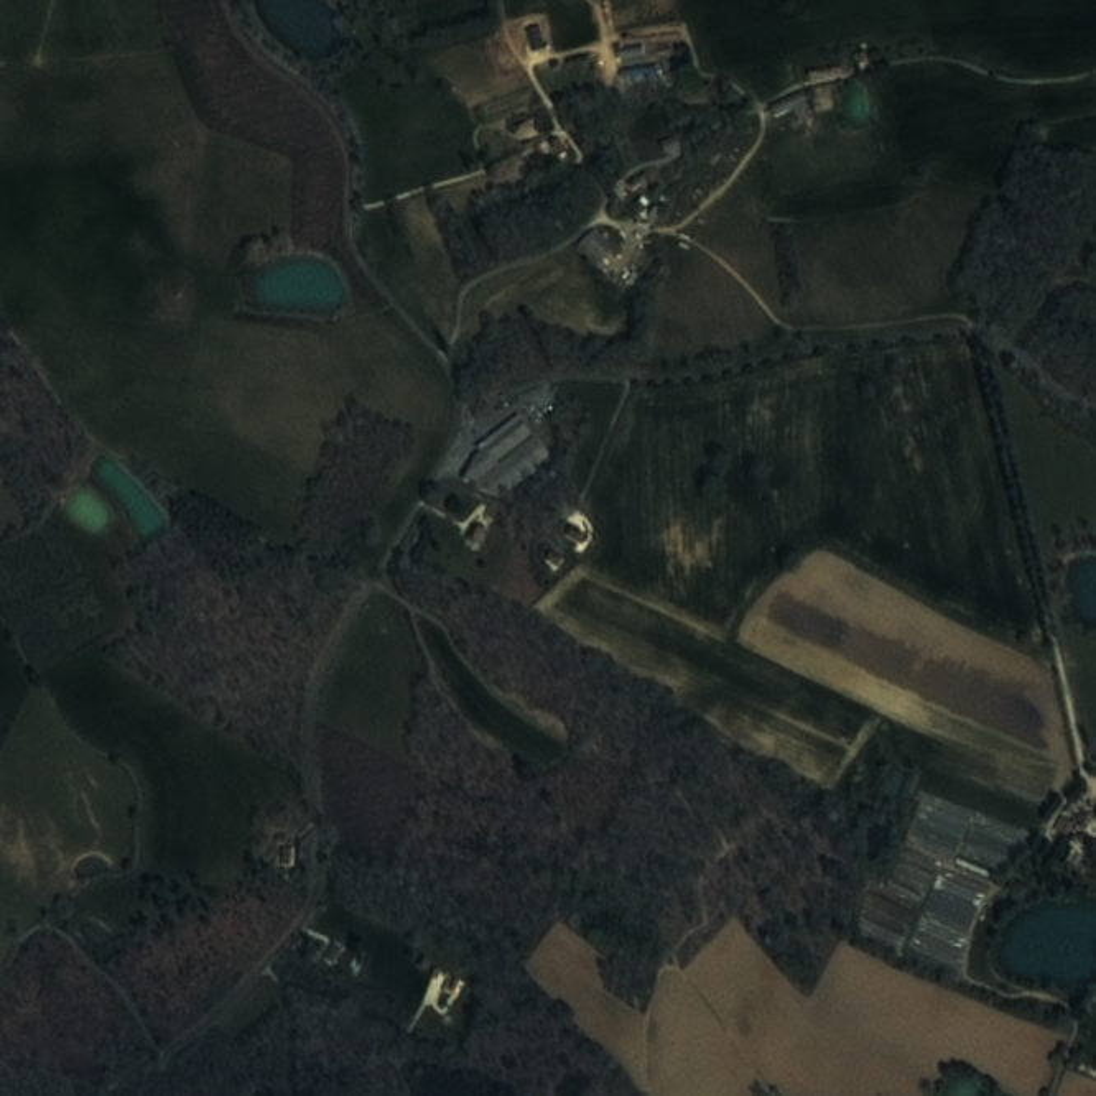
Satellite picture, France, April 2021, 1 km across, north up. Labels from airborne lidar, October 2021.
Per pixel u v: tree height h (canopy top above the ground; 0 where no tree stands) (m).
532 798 12
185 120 0
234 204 0
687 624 0
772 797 21
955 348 0
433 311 0
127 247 0
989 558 0
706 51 0
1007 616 0
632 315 13
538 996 12
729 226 0
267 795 0
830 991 0
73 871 0
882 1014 0
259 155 0
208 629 12
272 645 12
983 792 0
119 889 0
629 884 18
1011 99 0
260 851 18
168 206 0
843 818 15
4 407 17
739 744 0
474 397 25
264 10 0
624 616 0
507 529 9
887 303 0
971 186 0
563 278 0
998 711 0
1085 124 0
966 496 0
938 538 0
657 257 10
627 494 0
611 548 0
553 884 19
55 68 0
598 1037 0
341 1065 17
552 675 12
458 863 8
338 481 8
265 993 0
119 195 0
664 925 17
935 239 0
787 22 0
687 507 0
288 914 10
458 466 0
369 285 7
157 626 14
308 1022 18
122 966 10
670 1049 0
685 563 0
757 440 0
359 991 10
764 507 0
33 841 0
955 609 0
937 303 0
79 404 0
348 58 15
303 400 0
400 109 0
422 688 17
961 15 0
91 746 0
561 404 10
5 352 18
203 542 21
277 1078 11
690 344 0
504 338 19
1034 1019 14
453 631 8
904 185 0
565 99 12
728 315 0
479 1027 18
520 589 0
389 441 16
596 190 18
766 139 0
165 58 0
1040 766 0
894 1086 0
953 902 0
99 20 0
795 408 0
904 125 0
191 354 0
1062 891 10
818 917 17
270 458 0
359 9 23
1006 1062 0
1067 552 12
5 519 0
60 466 15
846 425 0
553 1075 8
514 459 0
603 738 16
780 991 0
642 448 0
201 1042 8
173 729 0
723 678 0
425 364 0
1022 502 16
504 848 9
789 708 0
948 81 0
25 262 0
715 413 0
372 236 0
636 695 20
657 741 14
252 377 0
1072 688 0
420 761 17
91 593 8
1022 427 0
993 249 22
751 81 0
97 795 0
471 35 14
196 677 19
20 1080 25
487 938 18
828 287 0
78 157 0
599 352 18
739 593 0
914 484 0
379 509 12
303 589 18
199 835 0
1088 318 21
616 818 18
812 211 0
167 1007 9
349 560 10
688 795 20
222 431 0
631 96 16
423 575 18
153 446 0
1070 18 0
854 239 0
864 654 0
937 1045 0
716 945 0
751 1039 0
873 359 0
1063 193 19
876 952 13
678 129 13
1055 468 0
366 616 0
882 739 0
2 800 0
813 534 0
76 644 10
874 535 0
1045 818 13
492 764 6
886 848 8
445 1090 11
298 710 19
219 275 0
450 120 0
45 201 0
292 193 0
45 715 0
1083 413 19
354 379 0
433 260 0
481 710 0
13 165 0
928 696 0
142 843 0
